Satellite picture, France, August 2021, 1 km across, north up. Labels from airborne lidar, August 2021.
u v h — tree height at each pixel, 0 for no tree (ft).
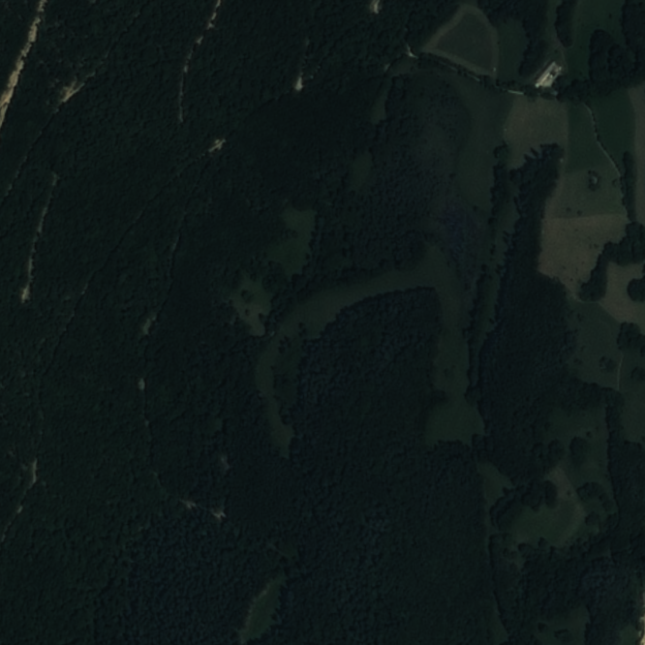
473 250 0
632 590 28
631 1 37
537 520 0
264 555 77
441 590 91
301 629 104
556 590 71
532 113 0
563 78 46
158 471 62
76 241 44
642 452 73
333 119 54
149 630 97
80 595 64
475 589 85
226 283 50
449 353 0
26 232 43
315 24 69
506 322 72
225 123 74
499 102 0
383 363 71
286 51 57
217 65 52
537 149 0
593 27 0
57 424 48
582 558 38
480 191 0
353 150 62
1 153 59
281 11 49
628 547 34
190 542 80
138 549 68
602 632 73
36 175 66
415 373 106
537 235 71
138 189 48
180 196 52
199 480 71
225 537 87
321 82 54
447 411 0
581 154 0
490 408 68
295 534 46
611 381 0
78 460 39
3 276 66
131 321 78
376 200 40
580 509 0
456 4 55
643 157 0
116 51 65
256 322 0
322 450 91
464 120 0
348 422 90
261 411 76
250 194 70
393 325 75
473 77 29
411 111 31
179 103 45
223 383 29
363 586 87
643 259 43
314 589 88
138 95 46
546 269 0
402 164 29
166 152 42
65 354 61
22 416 60
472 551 93
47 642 70
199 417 75
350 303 0
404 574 85
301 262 0
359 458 84
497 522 39
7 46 60
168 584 95
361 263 49
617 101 0
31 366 62
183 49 46
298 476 59
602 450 0
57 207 54
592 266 0
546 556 31
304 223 0
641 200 0
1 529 46
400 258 45
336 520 95
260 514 65
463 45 0
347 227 43
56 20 62
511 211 0
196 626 94
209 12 31
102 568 56
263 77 63
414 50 34
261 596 78
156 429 62
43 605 51
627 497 72
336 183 73
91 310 55
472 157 0
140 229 54
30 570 44
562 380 86
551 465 54
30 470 21
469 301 0
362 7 48
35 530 25
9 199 51
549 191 61
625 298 0
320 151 66
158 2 52
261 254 83
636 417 0
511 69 0
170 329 76
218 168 54
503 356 67
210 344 68
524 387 78
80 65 51
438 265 0
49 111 54
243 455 75
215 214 58
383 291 0
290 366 0
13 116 73
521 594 42
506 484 0
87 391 69
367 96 55
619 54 85
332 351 83
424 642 85
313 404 87
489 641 93
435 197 33
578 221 0
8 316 56
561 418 0
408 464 89
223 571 98
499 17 56
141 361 69
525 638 73
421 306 60
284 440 0
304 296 59
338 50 73
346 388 81
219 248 76
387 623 65
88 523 67
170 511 79
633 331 35
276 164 65
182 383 56
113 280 57
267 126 72
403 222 54
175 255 48
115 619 76
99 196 46
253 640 0
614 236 0
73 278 55
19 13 60
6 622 49
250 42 62
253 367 88
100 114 65
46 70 67
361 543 73
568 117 0
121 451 64
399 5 61
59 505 58
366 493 86
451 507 82
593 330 0
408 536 97
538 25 69
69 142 66
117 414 70
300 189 92
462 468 59
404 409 97
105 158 47
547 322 79
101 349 47
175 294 61
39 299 56
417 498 63
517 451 74
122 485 53
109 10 70
